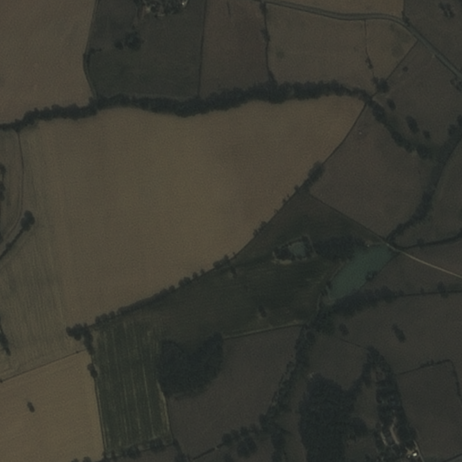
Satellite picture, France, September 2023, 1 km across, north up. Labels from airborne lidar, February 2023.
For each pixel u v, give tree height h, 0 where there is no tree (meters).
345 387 0
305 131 0
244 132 0
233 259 0
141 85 0
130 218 0
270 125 0
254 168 0
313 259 0
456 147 30
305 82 0
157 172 0
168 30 0
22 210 0
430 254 0
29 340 0
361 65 0
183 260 0
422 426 0
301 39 0
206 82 0
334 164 0
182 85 0
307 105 0
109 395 0
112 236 0
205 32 0
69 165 0
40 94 0
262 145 0
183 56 0
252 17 0
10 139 0
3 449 0
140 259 0
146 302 11
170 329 0
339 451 21
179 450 9
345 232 0
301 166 0
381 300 10
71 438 0
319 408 24
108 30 0
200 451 0
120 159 0
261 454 0
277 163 0
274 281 0
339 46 0
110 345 0
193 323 0
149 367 0
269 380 0
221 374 0
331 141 0
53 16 0
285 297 0
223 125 0
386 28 0
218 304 0
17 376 0
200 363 21
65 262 0
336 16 0
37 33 0
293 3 0
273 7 0
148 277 0
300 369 16
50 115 14
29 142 0
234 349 0
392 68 0
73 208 0
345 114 0
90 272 0
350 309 23
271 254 0
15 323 0
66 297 0
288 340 0
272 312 0
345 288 0
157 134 0
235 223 0
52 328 0
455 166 0
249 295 0
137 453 16
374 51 0
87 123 0
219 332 0
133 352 0
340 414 24
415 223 16
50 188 0
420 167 0
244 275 0
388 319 0
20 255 0
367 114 0
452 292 0
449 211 0
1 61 0
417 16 0
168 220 0
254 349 0
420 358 0
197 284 0
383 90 15
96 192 0
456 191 0
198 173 0
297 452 0
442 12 19
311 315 0
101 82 0
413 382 0
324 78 0
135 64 0
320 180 0
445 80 0
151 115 0
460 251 0
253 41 0
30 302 0
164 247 0
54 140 0
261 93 18
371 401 0
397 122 0
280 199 0
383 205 0
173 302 0
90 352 18
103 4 0
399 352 0
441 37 0
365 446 0
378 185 0
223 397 0
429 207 29
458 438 0
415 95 0
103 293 0
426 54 0
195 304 0
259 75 0
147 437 0
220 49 0
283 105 0
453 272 0
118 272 0
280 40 0
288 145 0
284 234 0
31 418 0
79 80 0
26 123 8
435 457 0
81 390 0
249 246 0
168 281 0
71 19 0
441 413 0
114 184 0
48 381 0
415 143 0
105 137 0
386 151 0
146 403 0
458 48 0
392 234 9
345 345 0
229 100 21
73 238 0
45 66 0
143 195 0
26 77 0
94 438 0
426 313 0
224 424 0
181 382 16
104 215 0
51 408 0
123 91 0
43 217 0
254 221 0
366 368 11
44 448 0
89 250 0
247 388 0
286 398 11
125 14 0
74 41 0
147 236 0
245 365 0
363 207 0
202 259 0
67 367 0
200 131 0
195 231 0
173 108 15
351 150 0
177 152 0
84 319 0
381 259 0
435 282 0
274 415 11
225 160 0
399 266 0
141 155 0
